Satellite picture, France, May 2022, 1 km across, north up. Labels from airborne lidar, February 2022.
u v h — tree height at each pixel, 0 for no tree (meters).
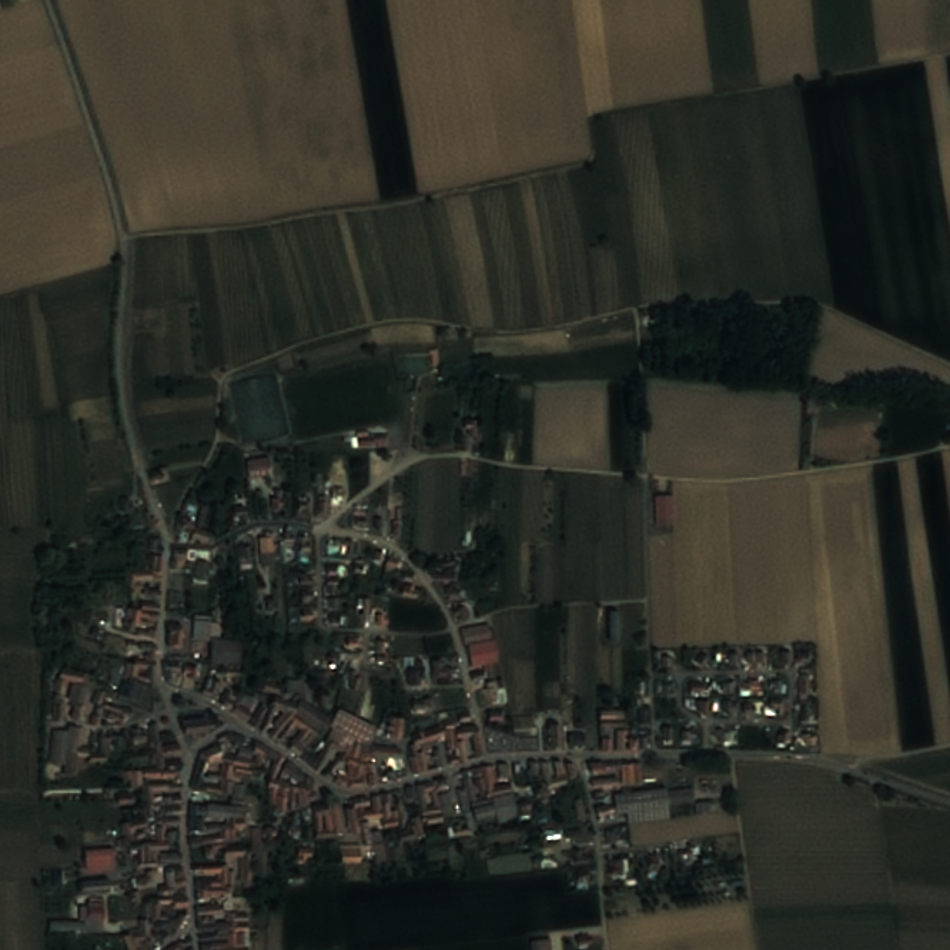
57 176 0
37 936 0
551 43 0
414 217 0
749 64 0
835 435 0
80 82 0
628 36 0
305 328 0
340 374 0
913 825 0
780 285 0
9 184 0
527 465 0
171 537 0
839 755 0
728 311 15
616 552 0
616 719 0
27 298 0
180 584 0
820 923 0
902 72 0
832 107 0
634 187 0
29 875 0
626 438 0
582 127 0
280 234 0
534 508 0
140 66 0
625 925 0
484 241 0
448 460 0
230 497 6
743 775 0
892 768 0
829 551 0
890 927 0
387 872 6
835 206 0
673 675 0
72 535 0
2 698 0
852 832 0
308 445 0
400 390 0
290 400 0
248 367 0
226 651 0
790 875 0
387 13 0
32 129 0
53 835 0
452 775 0
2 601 0
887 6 0
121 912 0
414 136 0
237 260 0
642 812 0
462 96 0
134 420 0
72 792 0
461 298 0
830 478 0
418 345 0
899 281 0
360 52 0
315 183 0
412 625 0
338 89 0
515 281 0
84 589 10
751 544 0
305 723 0
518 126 0
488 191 0
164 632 0
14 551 0
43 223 0
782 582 0
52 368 0
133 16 0
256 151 0
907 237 0
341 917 0
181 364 0
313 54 0
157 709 0
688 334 26
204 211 0
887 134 0
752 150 0
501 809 0
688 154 0
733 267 0
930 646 0
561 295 0
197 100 0
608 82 0
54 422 0
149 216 0
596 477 0
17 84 0
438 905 0
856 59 0
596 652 0
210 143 0
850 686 0
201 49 0
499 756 0
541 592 0
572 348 0
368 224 0
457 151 0
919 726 0
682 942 0
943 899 0
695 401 0
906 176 0
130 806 8
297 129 0
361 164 0
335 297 0
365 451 0
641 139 0
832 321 0
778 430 0
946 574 0
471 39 0
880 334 0
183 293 0
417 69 0
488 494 0
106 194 0
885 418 0
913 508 0
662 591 0
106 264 0
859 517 0
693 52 0
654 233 0
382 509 0
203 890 0
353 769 0
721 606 0
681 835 0
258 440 0
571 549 0
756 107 0
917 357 0
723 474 0
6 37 0
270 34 0
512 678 0
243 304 0
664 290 0
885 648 0
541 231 0
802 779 0
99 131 0
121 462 0
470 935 0
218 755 0
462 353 0
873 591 0
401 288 0
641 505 0
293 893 0
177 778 0
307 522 0
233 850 0
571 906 0
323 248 0
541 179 0
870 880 0
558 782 0
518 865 0
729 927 0
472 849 0
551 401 0
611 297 0
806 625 0
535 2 0
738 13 0
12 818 0
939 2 0
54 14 0
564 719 0
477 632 0
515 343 0
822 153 0
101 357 0
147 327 0
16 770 0
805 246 0
